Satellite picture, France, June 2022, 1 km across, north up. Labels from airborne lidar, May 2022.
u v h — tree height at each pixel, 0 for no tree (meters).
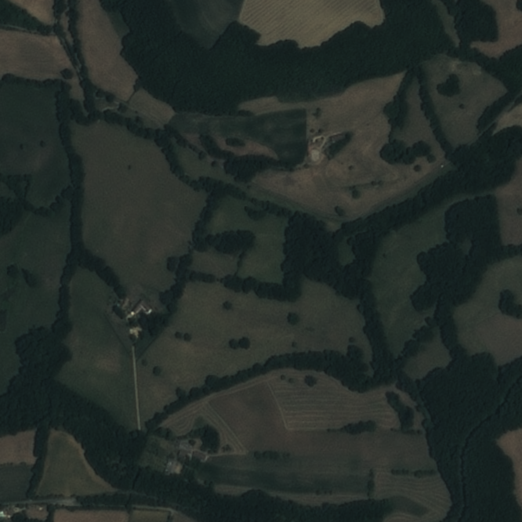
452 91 15
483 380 19
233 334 0
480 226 24
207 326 0
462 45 13
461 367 22
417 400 24
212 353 0
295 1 0
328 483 0
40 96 0
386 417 0
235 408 0
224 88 16
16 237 0
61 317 16
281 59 18
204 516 13
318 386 0
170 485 17
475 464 16
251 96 8
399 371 19
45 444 20
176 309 16
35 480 14
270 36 0
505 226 0
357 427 18
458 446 20
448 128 0
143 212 0
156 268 0
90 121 12
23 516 11
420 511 0
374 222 15
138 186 0
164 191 0
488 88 0
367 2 0
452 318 20
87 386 0
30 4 0
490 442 17
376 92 0
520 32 0
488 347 0
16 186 19
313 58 15
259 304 0
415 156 21
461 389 22
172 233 0
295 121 0
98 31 0
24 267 0
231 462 0
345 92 0
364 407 0
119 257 0
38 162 0
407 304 0
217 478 0
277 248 0
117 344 0
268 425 0
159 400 0
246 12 0
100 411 24
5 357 0
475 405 29
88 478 0
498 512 11
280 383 0
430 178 0
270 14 0
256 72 15
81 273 0
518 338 0
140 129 10
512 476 18
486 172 16
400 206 16
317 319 0
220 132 0
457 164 19
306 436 0
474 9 23
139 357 0
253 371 11
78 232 22
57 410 18
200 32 0
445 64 0
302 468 0
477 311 0
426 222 0
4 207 19
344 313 0
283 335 0
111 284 13
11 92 0
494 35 19
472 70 0
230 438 0
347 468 0
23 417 8
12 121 0
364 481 0
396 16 21
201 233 21
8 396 17
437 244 0
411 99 0
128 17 22
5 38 0
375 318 24
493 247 22
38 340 19
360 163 0
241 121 0
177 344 0
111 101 16
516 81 8
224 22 0
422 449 0
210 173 0
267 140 0
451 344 23
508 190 0
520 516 16
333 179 0
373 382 17
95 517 0
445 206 0
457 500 21
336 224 0
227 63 10
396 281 0
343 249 0
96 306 0
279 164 10
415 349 22
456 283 30
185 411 0
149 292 0
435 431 19
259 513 15
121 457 17
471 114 0
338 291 21
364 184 0
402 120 20
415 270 0
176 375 0
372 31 13
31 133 0
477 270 17
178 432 0
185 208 0
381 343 19
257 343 0
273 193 0
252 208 7
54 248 0
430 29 18
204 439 12
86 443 19
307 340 0
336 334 0
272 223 0
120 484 17
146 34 17
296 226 26
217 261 0
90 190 0
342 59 16
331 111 0
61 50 0
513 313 18
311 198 0
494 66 21
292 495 0
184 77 15
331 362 20
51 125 0
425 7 21
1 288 0
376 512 12
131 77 0
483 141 11
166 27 17
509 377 23
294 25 0
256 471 0
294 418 0
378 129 0
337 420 0
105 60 0
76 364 0
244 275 0
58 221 0
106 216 0
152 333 23
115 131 0
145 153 0
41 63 0
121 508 7
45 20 0
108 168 0
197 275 24
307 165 8
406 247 0
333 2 0
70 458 0
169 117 0
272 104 0
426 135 0
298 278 20
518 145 26
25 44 0
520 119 0
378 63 19
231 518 14
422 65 8
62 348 21
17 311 0
